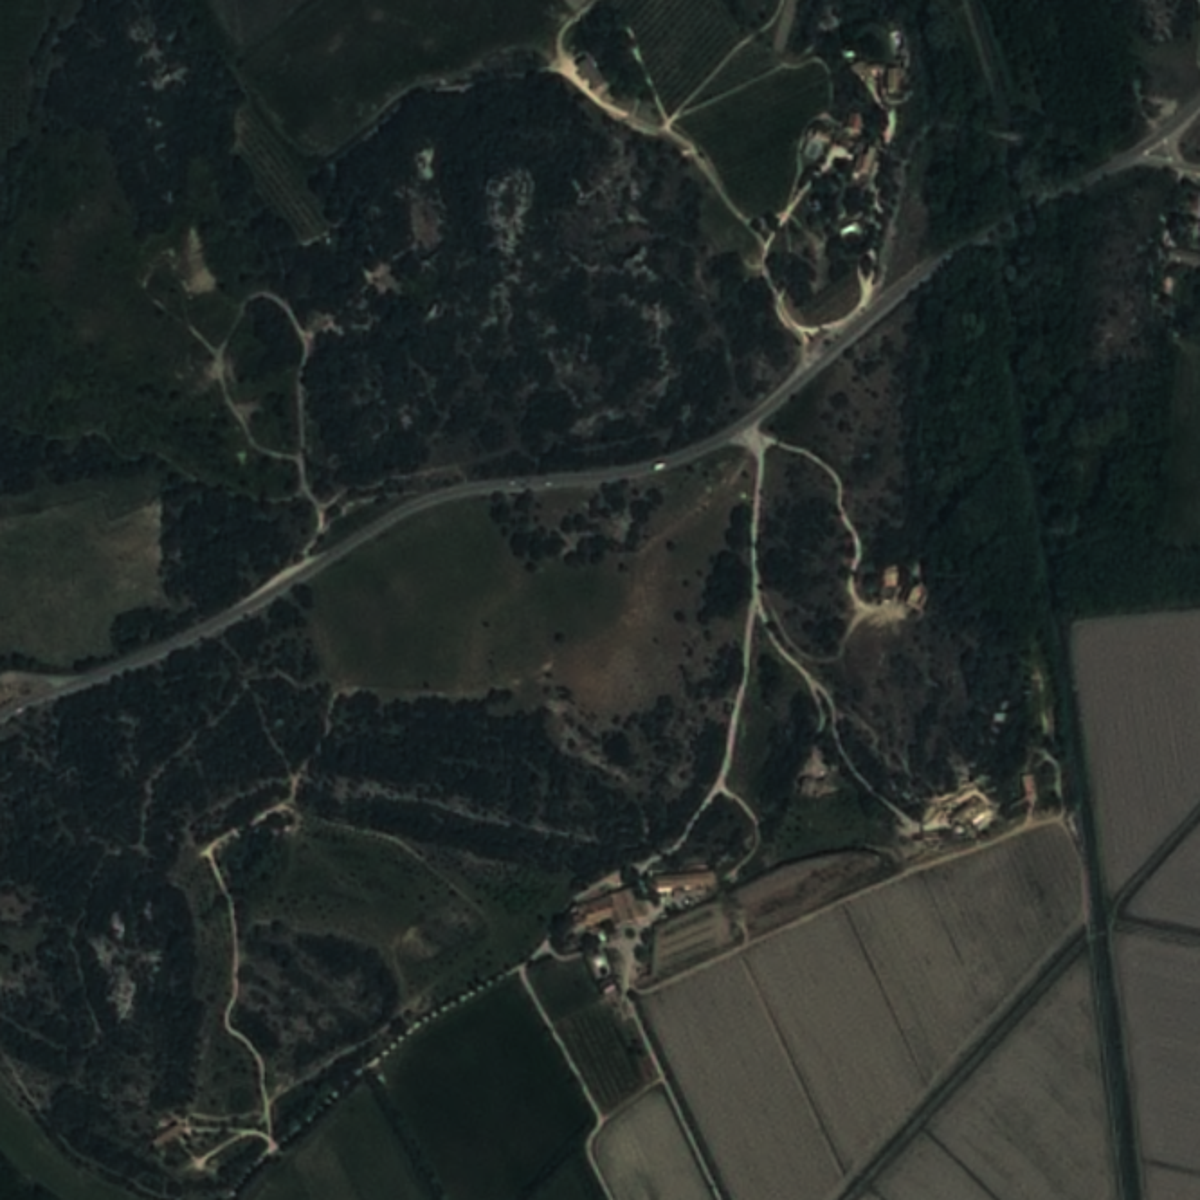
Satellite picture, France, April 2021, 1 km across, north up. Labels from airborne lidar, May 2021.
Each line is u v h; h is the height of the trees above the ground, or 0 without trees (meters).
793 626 0
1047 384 18
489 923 0
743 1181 0
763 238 0
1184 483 0
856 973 0
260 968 0
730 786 0
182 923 5
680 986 0
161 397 6
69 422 6
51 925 6
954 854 0
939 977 0
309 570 0
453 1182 0
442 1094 0
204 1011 8
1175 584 12
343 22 0
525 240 7
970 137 13
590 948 9
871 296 0
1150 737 0
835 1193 0
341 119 0
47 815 6
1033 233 20
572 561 7
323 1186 0
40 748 6
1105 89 10
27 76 0
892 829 7
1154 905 0
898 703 0
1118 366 9
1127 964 0
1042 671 0
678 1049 0
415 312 12
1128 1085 0
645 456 5
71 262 0
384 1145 0
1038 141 12
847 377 0
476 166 6
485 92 8
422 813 7
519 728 6
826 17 11
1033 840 0
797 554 6
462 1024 0
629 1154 0
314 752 9
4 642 0
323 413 7
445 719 6
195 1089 7
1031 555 17
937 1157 0
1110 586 21
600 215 0
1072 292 12
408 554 0
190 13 13
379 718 5
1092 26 10
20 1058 6
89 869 6
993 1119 0
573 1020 0
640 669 0
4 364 8
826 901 0
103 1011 6
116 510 0
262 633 5
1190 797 0
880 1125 0
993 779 8
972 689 9
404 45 0
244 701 6
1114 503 11
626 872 7
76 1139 8
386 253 13
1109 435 19
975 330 25
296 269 7
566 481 0
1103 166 0
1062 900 0
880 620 0
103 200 0
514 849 6
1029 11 11
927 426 21
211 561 7
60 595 0
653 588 0
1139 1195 0
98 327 0
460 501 0
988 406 16
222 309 0
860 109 6
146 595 0
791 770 8
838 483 0
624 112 0
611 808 6
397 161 6
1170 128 0
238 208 9
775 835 6
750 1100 0
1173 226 10
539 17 0
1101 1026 0
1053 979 0
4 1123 0
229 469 10
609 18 11
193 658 6
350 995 0
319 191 11
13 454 8
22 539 0
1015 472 17
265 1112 0
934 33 24
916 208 0
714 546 0
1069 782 0
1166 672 0
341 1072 8
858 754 6
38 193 7
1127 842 0
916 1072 0
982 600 17
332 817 5
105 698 7
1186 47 0
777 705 0
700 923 0
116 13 6
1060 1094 0
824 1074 0
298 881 0
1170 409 10
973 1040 0
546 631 0
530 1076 0
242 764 6
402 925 0
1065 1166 0
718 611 5
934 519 9
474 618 0
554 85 6
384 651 0
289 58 0
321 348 6
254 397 0
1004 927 0
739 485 0
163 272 0
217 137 9
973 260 19
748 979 0
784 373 0
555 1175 6
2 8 0
